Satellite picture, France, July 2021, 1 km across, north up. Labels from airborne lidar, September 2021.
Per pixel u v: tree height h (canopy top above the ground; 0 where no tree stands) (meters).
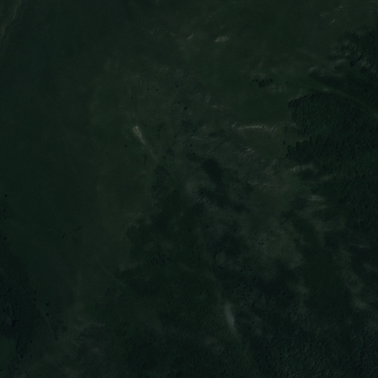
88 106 0
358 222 8
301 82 0
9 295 11
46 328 0
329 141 21
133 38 0
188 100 0
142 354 8
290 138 0
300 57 0
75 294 0
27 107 0
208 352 8
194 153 13
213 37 0
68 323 0
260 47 0
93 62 0
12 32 0
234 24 0
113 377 0
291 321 7
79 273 0
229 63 0
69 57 0
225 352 12
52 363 0
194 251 7
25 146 0
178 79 0
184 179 0
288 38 0
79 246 0
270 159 0
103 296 0
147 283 7
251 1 0
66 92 0
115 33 0
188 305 8
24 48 0
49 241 0
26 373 8
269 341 7
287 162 0
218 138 0
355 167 13
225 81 0
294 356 16
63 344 0
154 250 8
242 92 0
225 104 0
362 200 20
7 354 0
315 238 6
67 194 0
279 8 0
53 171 0
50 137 0
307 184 0
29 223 0
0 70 0
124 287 0
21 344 7
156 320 0
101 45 0
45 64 0
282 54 0
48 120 0
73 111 0
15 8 0
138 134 0
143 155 0
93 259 0
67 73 0
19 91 0
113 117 0
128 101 0
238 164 0
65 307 0
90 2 0
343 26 0
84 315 0
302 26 0
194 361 11
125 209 0
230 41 0
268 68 0
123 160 0
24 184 0
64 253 0
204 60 0
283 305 6
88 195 0
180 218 8
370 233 11
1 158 0
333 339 6
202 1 0
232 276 8
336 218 0
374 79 7
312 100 15
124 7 0
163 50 0
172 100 0
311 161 15
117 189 0
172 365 6
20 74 0
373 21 0
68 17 0
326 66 0
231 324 0
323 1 0
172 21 0
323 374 17
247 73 0
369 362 10
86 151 0
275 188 0
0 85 0
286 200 0
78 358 0
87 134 0
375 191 16
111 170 0
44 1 0
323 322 10
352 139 20
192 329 10
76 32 0
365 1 0
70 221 0
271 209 0
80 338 0
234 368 8
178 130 0
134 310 0
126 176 0
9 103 0
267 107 0
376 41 10
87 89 0
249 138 0
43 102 0
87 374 0
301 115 16
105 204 0
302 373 11
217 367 14
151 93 0
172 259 6
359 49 8
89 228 0
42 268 0
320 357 13
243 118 0
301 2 0
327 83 6
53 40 0
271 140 0
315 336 7
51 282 0
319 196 8
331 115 18
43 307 0
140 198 0
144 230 9
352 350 16
